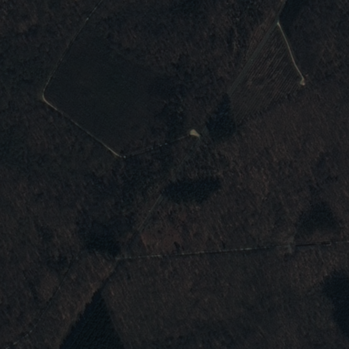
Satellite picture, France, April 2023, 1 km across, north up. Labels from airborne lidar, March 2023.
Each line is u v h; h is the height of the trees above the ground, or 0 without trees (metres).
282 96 0
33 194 22
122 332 19
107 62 17
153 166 22
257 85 0
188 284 21
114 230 24
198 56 19
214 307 21
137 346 21
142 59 20
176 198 20
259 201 26
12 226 22
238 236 30
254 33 16
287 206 26
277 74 0
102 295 27
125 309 22
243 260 26
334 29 29
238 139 15
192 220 23
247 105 0
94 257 25
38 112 25
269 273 25
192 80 14
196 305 19
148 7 23
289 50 0
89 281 22
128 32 27
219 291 19
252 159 18
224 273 21
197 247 20
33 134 24
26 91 23
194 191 19
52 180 24
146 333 24
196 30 18
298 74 0
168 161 20
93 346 25
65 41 23
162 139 19
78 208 20
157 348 28
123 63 20
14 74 24
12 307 23
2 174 25
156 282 22
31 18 25
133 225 20
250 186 23
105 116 12
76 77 13
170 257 21
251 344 30
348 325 27
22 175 24
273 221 26
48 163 25
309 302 24
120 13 18
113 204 21
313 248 22
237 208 23
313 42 27
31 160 18
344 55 30
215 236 21
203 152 15
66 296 25
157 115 8
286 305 23
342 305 25
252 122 17
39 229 22
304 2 13
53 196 25
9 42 22
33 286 22
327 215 19
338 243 24
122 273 22
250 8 20
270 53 0
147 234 0
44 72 18
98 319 25
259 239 22
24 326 26
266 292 26
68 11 24
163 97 10
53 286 21
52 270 22
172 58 25
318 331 25
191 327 28
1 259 24
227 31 17
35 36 29
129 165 21
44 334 23
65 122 18
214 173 14
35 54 21
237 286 23
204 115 18
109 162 16
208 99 14
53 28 24
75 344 24
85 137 18
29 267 21
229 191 21
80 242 16
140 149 8
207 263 20
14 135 22
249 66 0
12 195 21
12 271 23
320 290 25
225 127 26
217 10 21
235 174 22
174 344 26
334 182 22
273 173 26
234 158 18
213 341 26
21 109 25
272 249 20
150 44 28
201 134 0
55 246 20
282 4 17
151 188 16
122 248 20
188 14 19
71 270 17
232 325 22
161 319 26
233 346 29
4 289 25
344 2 25
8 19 26
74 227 22
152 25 13
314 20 26
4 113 21
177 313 23
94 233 22
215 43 20
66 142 24
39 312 17
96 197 22
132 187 20
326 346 18
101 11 23
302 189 23
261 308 24
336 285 25
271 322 24
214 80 16
